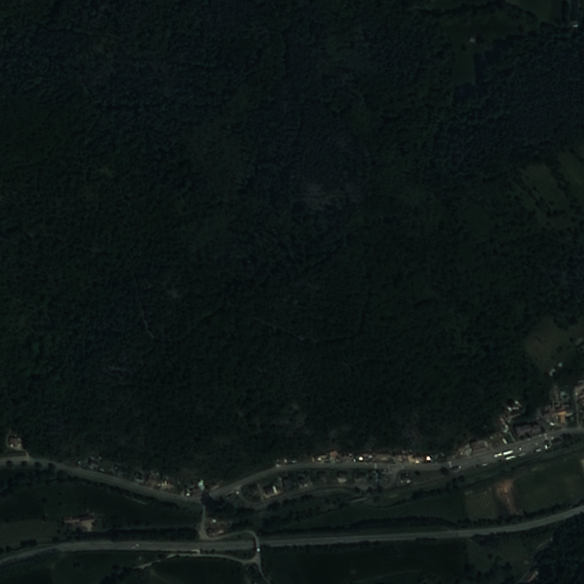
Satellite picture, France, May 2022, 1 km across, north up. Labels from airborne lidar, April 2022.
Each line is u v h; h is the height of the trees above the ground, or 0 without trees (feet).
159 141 82
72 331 82
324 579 0
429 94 85
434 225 32
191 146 24
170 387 49
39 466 47
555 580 60
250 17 85
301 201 81
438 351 89
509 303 48
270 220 34
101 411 29
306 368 49
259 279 43
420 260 41
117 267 83
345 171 73
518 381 35
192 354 40
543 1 0
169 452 31
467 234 53
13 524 0
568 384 0
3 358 27
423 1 77
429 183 46
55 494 0
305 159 78
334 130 104
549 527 36
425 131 85
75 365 51
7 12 72
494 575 47
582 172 0
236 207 52
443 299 31
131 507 0
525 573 0
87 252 65
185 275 31
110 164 28
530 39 48
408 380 51
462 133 99
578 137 51
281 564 0
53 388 50
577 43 57
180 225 52
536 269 69
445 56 87
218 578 0
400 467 0
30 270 30
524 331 36
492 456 0
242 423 44
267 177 91
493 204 57
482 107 60
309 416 42
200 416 36
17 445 0
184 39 88
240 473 22
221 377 50
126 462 20
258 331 55
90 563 0
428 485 0
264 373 51
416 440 23
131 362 43
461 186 47
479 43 59
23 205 40
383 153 85
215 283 52
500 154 49
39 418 29
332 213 83
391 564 0
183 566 0
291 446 30
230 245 64
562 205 0
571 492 0
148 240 33
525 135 65
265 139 94
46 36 87
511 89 69
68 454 40
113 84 106
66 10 104
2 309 52
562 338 0
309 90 83
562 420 0
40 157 26
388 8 63
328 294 39
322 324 31
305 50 69
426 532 0
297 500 0
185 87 85
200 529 0
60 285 42
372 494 19
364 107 60
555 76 55
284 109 78
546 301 47
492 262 63
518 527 0
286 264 38
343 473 0
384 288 77
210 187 61
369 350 50
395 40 82
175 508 53
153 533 43
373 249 65
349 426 24
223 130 75
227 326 79
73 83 52
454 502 0
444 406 23
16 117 70
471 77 0
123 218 45
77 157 20
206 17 70
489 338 26
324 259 83
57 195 38
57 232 60
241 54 44
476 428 35
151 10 58
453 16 72
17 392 68
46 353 62
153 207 39
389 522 37
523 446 0
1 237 102
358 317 31
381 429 28
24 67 98
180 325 42
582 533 28
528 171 0
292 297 35
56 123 46
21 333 36
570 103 57
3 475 0
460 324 75
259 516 0
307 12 55
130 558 0
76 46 72
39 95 82
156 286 37
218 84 63
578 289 98
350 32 66
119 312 31
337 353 62
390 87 73
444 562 0
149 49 88
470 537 0
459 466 0
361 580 0
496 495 0
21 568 27
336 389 42
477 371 72
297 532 33
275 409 58
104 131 40
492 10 62
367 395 42
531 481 0
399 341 60
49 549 0
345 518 0
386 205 71
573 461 0
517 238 32
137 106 77
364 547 31
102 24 72
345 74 76
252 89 78
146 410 28
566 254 42
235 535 0
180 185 84
